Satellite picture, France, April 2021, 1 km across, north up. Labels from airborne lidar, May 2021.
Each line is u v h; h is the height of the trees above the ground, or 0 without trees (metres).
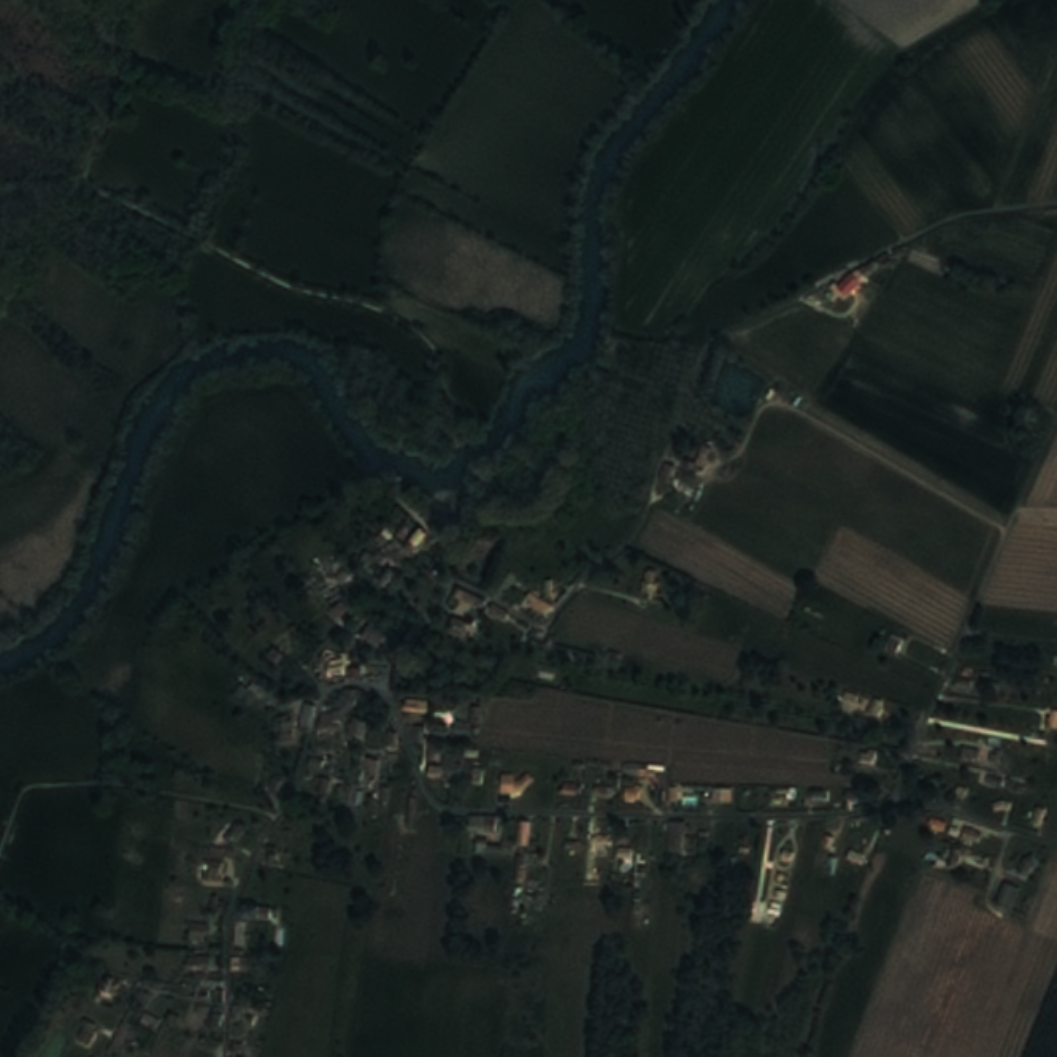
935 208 0
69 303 0
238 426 0
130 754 13
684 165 0
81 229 17
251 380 16
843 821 0
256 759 0
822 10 0
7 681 16
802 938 0
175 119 0
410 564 8
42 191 15
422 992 0
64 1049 0
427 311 0
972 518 0
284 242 0
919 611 0
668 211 0
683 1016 18
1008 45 0
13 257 17
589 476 15
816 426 0
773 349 0
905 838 0
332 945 0
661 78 18
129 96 20
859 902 8
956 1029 0
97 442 0
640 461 30
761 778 0
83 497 0
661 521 0
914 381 0
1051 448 0
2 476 15
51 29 8
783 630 0
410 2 0
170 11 0
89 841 0
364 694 11
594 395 13
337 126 15
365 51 0
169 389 0
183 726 0
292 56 25
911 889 0
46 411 0
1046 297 0
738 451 19
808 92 0
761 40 0
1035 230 0
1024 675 20
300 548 0
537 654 16
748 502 0
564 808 0
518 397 0
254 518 0
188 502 0
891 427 0
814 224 0
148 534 11
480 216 0
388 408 27
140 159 0
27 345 0
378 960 0
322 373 0
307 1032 0
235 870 0
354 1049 0
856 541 0
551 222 0
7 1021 0
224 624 13
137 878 0
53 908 0
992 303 0
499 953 19
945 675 0
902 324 0
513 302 0
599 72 0
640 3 0
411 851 0
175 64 0
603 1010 18
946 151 0
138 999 9
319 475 0
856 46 0
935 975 0
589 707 0
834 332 0
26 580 0
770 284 0
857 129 0
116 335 0
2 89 25
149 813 0
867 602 0
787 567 0
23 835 0
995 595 0
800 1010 14
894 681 0
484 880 17
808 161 0
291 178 0
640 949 0
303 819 8
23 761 0
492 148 0
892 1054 0
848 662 0
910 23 0
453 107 10
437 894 0
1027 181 0
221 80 11
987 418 0
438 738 9
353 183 0
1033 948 0
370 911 14
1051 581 0
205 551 0
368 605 17
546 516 31
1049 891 0
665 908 0
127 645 0
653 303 0
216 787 15
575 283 6
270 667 13
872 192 0
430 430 16
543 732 0
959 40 0
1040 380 0
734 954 20
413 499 12
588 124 0
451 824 15
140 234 12
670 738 0
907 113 0
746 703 12
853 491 0
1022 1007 0
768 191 0
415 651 31
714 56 10
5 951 0
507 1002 0
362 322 0
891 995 0
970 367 0
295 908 0
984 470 0
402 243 0
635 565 10
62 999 26
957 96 0
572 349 0
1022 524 0
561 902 0
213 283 0
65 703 0
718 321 0
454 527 33
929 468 0
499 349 0
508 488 21
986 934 0
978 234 0
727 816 0
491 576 12
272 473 0
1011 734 0
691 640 0
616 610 0
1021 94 0
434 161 0
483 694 12
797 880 0
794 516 0
